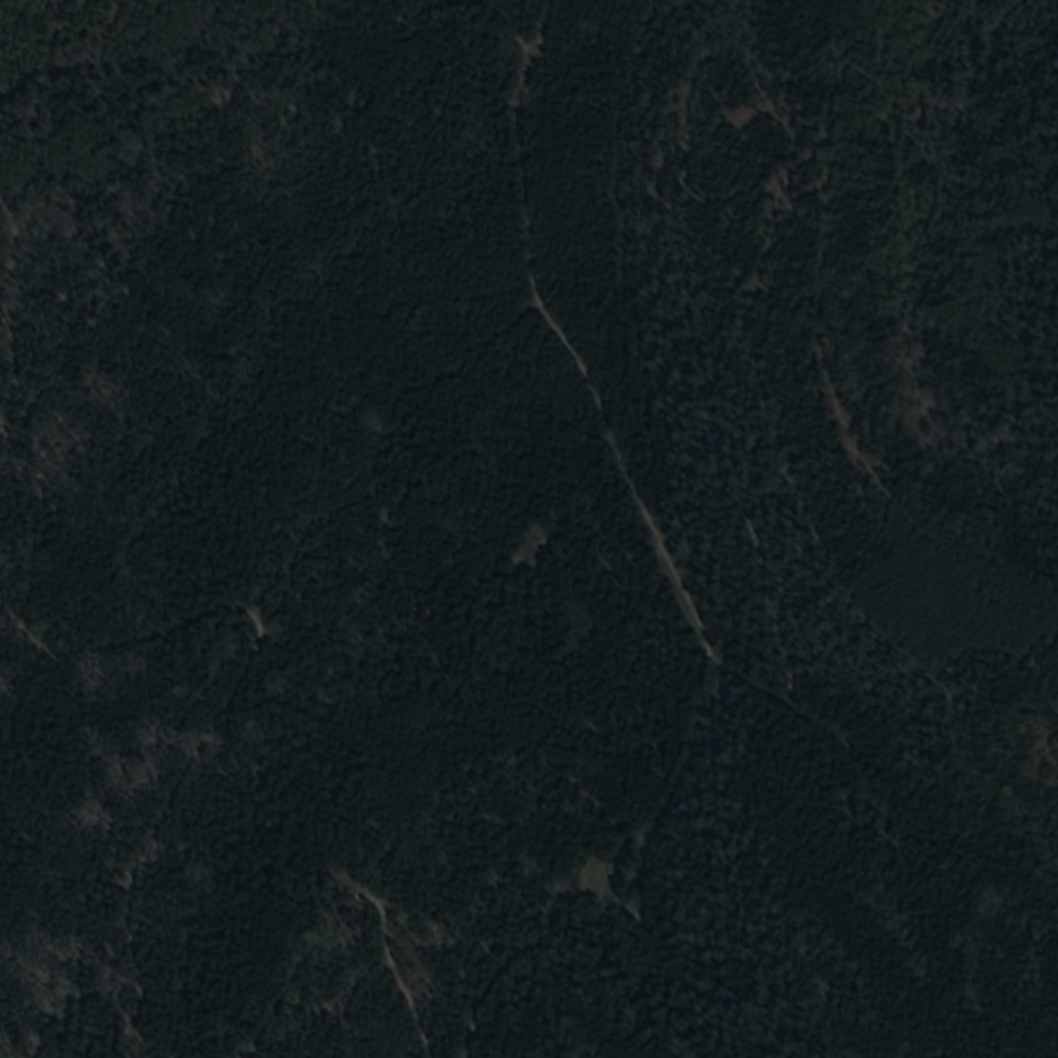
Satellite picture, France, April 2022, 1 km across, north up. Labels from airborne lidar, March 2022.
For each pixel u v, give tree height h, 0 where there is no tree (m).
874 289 16
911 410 23
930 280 13
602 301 16
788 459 14
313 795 24
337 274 22
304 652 23
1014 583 17
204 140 18
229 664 13
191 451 27
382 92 19
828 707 17
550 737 18
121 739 21
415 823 17
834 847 26
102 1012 22
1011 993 15
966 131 13
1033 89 12
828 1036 14
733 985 10
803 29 14
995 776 12
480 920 22
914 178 13
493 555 14
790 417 10
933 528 17
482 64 15
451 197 24
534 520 19
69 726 22
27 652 22
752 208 7
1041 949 22
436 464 20
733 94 8
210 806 23
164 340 18
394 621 26
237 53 16
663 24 12
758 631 23
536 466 23
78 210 14
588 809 15
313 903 13
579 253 16
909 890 27
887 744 13
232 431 27
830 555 12
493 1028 19
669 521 27
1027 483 18
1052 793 7
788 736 27
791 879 21
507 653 34
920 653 17
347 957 19
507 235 18
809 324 16
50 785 16
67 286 18
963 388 10
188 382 22
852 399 10
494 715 17
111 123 12
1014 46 13
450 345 17
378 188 26
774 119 8
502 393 17
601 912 31
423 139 23
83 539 20
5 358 19
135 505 23
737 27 15
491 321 20
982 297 13
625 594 22
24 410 20
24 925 24
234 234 21
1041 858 11
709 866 13
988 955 20
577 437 19
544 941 23
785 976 24
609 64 15
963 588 16
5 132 16
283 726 37
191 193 20
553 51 17
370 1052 20
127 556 21
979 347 15
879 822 27
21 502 21
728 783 23
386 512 16
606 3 11
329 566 19
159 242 18
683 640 22
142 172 16
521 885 22
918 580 17
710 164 7
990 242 12
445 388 21
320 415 18
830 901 19
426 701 24
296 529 14
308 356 22
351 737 20
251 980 16
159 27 16
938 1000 19
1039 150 12
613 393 17
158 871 23
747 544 22
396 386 18
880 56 14
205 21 19
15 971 21
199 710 19
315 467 15
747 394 12
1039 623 17
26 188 19
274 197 17
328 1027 17
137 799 23
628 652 18
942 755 7
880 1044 13
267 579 14
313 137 24
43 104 20
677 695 25
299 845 19
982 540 16
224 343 20
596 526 17
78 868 19
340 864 16
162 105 21
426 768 16
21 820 23
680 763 18
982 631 16
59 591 16
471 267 16
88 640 24
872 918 24
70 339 16
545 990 14
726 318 7
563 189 16
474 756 19
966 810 17
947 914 24
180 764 19
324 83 24
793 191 7
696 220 9
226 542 19
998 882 22
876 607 19
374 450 20
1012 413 10
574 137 20
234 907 32
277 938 21
